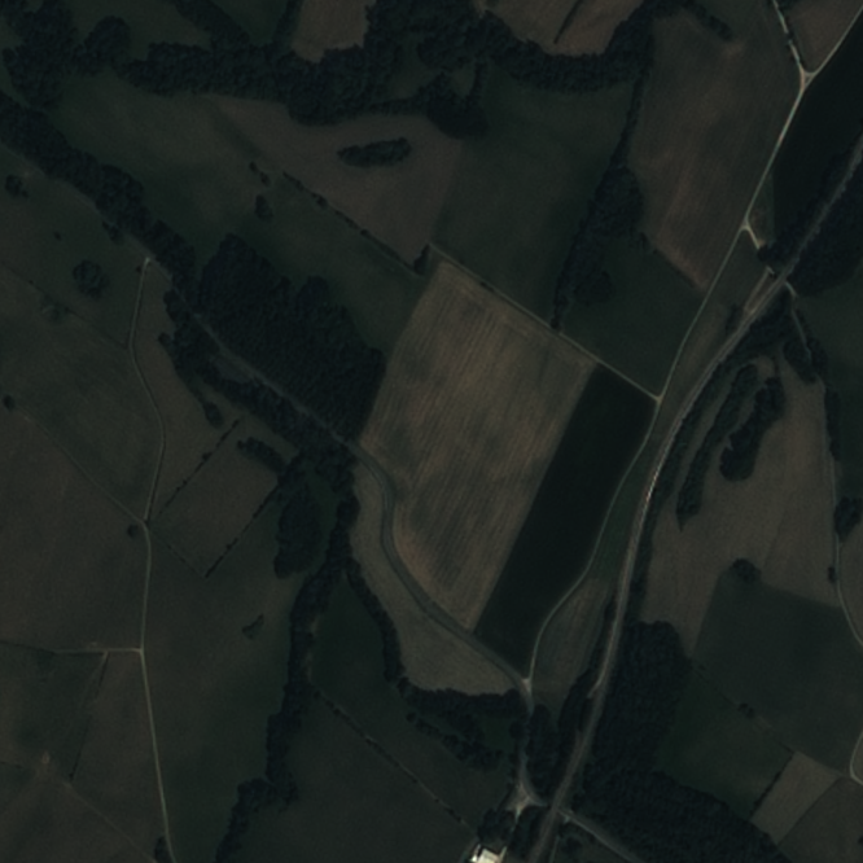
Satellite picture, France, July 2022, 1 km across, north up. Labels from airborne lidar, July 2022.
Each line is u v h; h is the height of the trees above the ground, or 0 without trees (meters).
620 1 0
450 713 18
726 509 0
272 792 20
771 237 0
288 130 0
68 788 0
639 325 0
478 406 0
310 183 0
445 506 0
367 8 0
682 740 0
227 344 24
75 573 0
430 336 0
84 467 0
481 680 0
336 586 9
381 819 0
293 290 15
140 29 0
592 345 0
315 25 0
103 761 0
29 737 0
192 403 0
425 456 0
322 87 28
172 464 0
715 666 0
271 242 0
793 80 0
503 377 0
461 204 0
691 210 0
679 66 0
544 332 0
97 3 0
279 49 18
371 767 0
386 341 0
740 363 9
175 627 0
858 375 0
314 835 0
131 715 0
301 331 16
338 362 19
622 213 23
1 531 0
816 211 16
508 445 0
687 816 25
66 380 0
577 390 0
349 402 21
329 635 0
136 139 0
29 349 0
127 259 0
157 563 0
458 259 0
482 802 0
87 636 0
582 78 14
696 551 0
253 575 0
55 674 0
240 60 13
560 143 0
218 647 0
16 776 0
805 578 0
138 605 0
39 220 0
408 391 0
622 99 0
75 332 0
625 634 7
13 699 0
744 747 0
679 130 0
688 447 7
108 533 0
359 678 0
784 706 0
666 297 0
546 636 0
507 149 0
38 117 24
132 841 0
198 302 20
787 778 0
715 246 0
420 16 12
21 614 0
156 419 0
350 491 17
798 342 13
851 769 0
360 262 0
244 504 0
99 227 0
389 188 0
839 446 13
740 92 0
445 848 0
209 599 0
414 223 0
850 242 18
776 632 0
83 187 9
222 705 0
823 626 0
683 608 0
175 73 21
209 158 0
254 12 0
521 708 21
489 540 0
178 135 0
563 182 0
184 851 0
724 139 0
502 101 0
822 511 0
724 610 0
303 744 0
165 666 0
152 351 0
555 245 0
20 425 0
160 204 0
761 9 0
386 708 0
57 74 24
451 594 0
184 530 0
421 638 0
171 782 0
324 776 0
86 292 6
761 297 0
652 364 0
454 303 0
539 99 0
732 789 0
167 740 0
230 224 0
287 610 0
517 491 0
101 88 0
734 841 18
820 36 0
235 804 0
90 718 0
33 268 0
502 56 24
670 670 22
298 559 19
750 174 0
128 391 0
